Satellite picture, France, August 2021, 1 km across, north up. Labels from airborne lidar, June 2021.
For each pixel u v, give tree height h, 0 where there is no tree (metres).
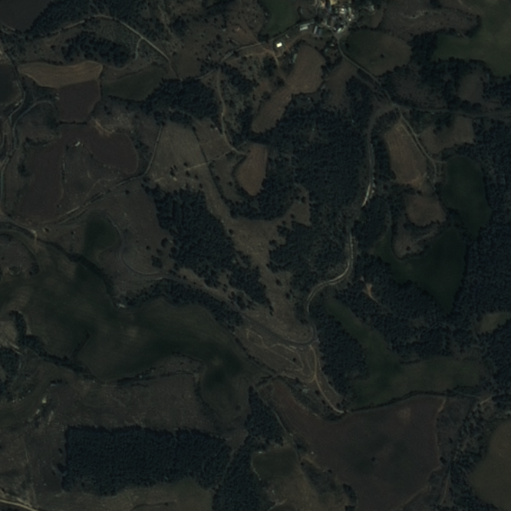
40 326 0
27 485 0
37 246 0
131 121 0
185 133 0
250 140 8
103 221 0
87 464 12
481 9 0
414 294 14
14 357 8
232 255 8
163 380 0
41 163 0
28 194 0
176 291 13
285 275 0
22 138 0
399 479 0
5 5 0
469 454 9
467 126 0
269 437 9
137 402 0
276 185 9
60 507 0
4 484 0
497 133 16
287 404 0
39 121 0
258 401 13
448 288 0
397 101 11
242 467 12
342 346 12
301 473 0
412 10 0
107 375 0
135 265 0
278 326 0
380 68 0
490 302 16
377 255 0
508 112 0
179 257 13
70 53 14
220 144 0
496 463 0
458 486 15
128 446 14
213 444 13
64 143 0
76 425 0
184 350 0
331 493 0
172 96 11
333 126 11
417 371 0
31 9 0
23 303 0
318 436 0
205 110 10
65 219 0
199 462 12
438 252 0
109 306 0
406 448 0
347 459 0
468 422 14
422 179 0
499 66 0
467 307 12
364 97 7
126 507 0
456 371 0
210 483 10
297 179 9
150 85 0
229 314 10
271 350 0
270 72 11
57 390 0
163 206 13
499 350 11
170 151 0
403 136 0
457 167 0
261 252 0
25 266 0
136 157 0
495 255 18
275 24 0
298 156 8
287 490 0
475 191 0
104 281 6
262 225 0
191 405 0
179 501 0
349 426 0
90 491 0
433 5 11
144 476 13
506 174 12
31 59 0
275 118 0
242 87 11
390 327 12
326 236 8
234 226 0
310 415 0
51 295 0
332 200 8
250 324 0
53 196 0
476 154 9
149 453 14
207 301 11
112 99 8
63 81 0
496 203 14
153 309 0
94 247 0
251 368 0
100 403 0
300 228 10
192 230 11
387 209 10
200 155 0
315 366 0
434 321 10
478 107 10
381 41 0
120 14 6
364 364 15
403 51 0
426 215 0
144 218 0
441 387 0
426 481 0
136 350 0
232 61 0
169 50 0
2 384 11
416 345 12
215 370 0
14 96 0
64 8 11
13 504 0
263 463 0
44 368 0
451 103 10
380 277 12
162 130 0
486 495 0
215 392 0
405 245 0
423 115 9
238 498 16
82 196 0
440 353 12
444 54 0
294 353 0
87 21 8
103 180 0
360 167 12
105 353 0
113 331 0
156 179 0
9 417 0
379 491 0
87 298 0
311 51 0
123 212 0
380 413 0
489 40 0
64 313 0
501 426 0
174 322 0
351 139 13
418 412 0
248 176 0
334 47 6
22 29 0
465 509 14
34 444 0
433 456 0
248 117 14
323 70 10
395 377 0
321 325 6
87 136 0
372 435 0
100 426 0
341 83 0
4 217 0
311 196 11
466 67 14
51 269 0
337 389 8
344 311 0
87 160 0
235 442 0
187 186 8
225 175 0
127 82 0
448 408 0
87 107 0
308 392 0
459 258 0
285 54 8
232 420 0
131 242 0
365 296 8
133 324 0
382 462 0
